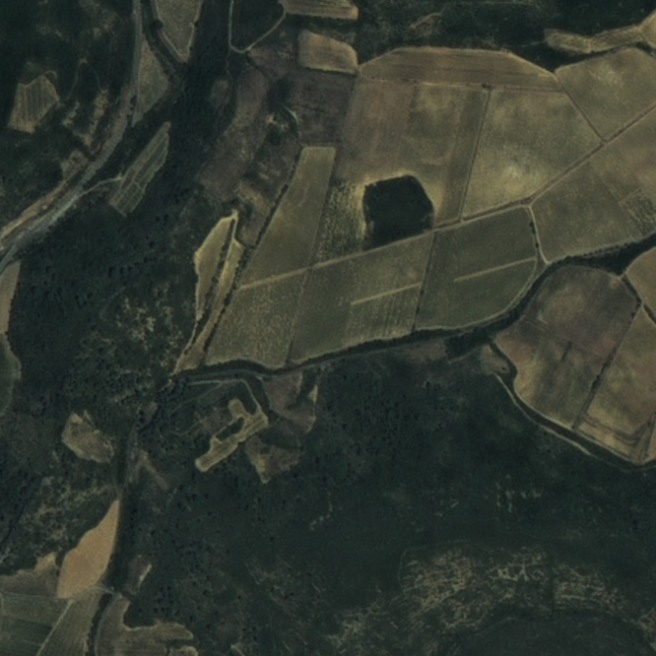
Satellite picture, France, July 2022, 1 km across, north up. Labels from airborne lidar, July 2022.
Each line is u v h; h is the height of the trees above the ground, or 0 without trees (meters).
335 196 0
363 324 0
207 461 0
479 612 0
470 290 0
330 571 0
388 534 0
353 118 0
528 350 0
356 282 0
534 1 0
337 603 0
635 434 0
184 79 6
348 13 0
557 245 0
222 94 0
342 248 0
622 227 0
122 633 0
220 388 0
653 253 0
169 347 8
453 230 0
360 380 6
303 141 0
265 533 0
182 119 6
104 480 8
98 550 0
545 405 0
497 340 0
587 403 0
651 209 0
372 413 7
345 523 0
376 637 0
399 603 0
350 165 0
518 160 0
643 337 0
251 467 8
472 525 0
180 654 0
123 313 5
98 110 0
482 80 0
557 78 0
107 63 5
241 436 0
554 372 0
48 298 12
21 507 9
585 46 0
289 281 0
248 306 0
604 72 0
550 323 0
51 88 0
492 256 0
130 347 8
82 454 0
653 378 0
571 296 0
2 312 0
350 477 8
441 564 0
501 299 0
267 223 6
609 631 0
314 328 0
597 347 0
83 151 7
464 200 0
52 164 5
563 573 0
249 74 0
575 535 0
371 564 0
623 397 0
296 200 0
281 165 0
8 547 0
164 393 13
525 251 0
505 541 0
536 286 8
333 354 7
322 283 0
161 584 0
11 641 0
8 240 0
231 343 0
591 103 0
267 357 0
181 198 6
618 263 6
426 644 0
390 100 0
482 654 0
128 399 13
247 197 0
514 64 0
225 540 0
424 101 0
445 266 0
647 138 0
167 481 0
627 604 0
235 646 0
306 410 0
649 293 0
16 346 5
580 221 0
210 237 0
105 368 8
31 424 0
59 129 7
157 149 0
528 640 0
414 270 0
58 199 0
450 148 0
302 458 6
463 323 0
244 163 0
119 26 8
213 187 0
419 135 0
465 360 0
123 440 6
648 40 0
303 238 0
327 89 0
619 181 0
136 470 0
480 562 0
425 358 0
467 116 0
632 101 0
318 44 0
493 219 0
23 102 0
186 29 0
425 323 0
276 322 0
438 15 0
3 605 0
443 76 0
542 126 0
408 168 0
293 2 0
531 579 0
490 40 0
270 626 0
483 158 0
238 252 0
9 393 0
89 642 8
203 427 0
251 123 0
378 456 7
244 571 0
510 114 0
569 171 0
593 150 0
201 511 0
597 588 0
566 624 0
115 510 0
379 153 0
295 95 0
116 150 5
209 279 0
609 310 0
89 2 0
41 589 0
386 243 6
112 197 0
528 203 0
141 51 0
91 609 0
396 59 0
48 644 0
